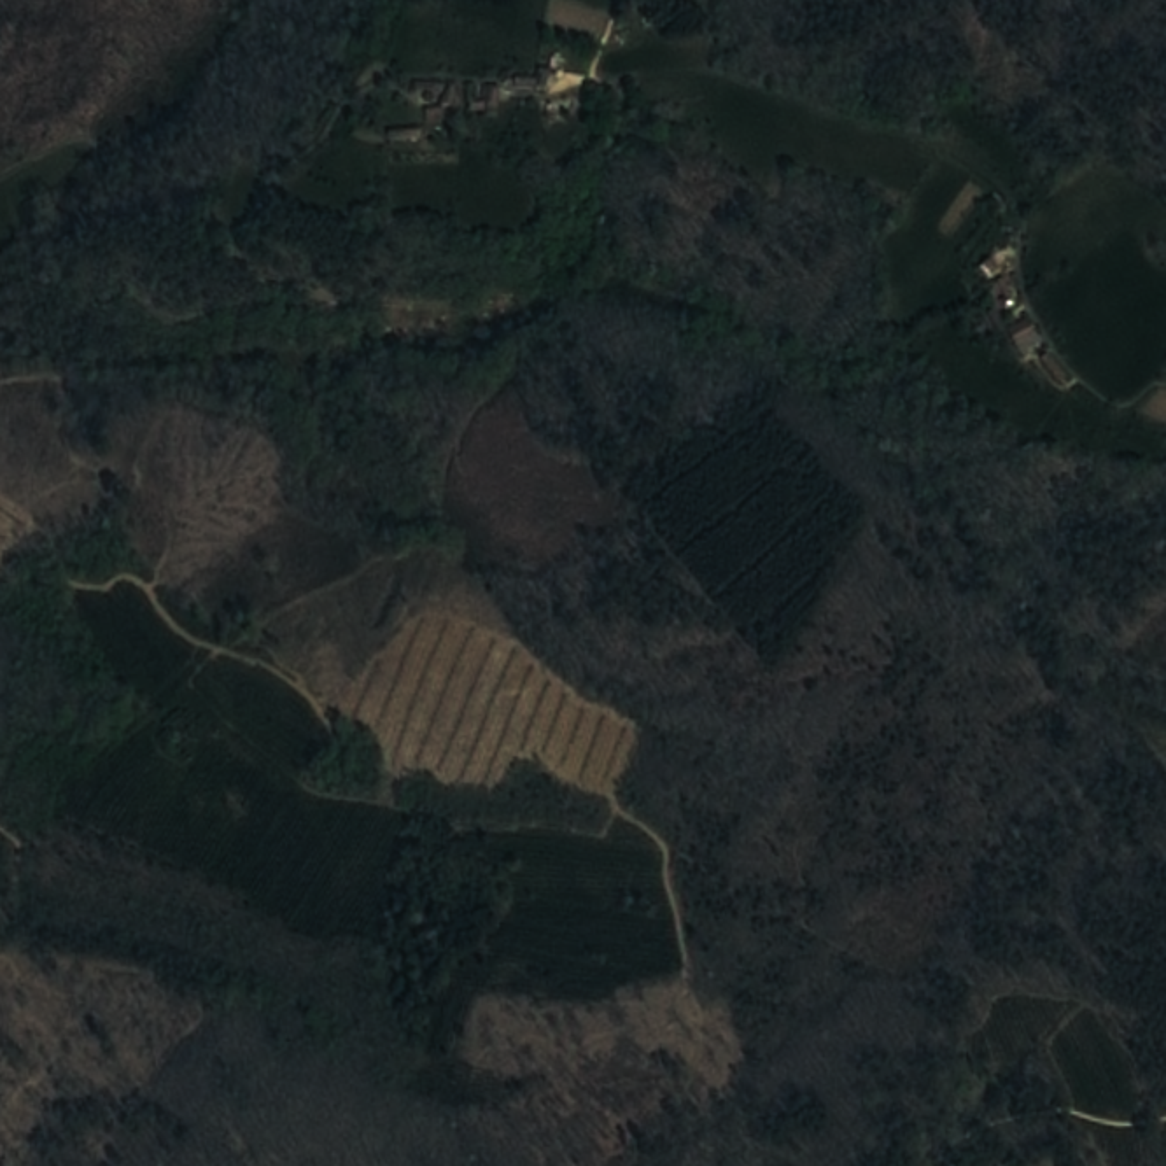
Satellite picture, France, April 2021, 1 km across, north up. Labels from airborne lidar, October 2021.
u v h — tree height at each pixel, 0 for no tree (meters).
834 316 25
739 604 21
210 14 9
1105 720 21
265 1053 17
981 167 0
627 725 0
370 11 25
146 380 31
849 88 18
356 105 14
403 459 22
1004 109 9
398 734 0
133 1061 0
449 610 0
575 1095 12
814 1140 23
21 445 20
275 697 6
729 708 8
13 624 17
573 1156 17
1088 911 25
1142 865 20
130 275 18
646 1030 0
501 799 9
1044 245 0
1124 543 28
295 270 12
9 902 15
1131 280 0
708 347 26
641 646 18
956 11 23
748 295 18
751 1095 17
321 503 20
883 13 27
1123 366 0
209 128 18
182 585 0
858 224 19
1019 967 24
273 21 16
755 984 7
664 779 11
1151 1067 23
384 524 8
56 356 13
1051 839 24
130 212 13
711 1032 0
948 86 22
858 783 8
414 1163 14
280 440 24
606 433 17
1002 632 18
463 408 15
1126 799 26
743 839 6
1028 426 0
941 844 7
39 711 18
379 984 19
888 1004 17
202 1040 6
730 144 0
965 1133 17
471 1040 16
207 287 28
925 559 12
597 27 0
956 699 7
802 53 27
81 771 6
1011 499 26
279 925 15
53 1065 0
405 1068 16
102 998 0
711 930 6
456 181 0
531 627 17
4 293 12
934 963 19
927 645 8
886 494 17
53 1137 12
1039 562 24
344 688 0
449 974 14
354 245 25
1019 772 8
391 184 11
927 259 0
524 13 0
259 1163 17
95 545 19
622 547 21
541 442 24
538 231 17
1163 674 6
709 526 21
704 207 7
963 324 9
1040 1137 17
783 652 21
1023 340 0
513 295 18
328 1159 14
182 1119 20
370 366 20
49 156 0
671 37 20
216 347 25
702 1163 22
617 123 21
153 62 11
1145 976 15
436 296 26
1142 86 21
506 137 7
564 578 19
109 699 24
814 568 22
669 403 24
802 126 0
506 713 0
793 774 11
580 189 28
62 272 29
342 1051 19
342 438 16
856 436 19
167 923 14
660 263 22
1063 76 18
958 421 26
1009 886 25
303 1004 19
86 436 19
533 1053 0
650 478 21
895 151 0
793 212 22
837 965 8
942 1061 23
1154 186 11
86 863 18
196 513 0
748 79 16
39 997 0
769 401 22
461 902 21
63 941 18
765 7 17
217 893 19
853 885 8
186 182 12
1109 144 14
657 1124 14
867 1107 24
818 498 23
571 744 0
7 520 0
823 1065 19
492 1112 11
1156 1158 18
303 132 17
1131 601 23
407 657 0
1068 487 25
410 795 9
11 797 14
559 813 8
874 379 24
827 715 13
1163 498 21
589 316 24
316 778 20
